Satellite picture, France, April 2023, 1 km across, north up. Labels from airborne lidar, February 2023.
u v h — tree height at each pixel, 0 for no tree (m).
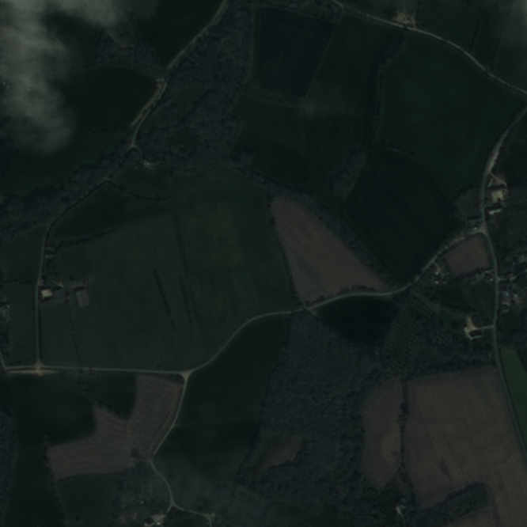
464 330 0
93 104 0
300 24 0
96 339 0
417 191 0
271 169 0
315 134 0
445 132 0
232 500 21
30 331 0
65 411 0
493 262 0
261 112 0
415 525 14
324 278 0
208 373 0
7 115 0
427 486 0
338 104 0
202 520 0
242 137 0
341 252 0
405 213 0
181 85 16
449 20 0
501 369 0
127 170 0
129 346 0
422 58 0
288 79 0
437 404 0
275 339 0
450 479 0
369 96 0
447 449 0
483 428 0
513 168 0
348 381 10
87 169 16
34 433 0
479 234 0
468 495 11
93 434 0
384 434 0
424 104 0
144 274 0
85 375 13
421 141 0
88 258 0
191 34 0
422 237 0
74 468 0
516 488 0
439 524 11
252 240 0
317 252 0
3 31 0
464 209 0
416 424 0
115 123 0
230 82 18
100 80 0
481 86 0
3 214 26
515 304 7
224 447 0
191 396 0
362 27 0
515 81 0
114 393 0
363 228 0
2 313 0
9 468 17
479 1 0
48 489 0
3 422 11
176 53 0
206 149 9
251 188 0
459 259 0
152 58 13
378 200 0
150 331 0
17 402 0
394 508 0
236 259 0
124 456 0
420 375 13
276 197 9
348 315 0
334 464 11
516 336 8
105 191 0
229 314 0
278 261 0
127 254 0
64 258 0
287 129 0
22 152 0
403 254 0
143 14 0
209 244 0
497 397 0
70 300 8
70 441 0
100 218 0
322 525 0
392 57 10
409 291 9
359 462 12
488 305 0
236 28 13
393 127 0
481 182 0
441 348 12
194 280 0
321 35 0
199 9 0
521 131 0
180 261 0
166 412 0
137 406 0
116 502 11
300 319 13
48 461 8
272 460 0
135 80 0
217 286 0
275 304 0
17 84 0
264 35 0
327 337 11
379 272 10
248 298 0
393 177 0
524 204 0
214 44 18
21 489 0
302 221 0
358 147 0
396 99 0
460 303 0
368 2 0
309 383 10
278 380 10
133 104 0
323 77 0
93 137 0
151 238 0
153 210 0
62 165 0
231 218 0
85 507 0
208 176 0
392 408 0
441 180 0
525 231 0
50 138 0
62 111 0
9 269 0
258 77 0
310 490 13
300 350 13
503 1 0
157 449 0
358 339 0
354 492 13
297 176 0
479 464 0
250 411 0
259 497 17
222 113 16
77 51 0
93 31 0
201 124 10
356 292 10
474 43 7
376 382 13
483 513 0
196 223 0
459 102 0
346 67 0
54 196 30
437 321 9
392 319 11
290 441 0
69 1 0
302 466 11
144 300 0
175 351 0
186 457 0
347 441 12
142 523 0
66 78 0
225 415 0
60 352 0
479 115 0
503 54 0
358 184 0
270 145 0
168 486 11
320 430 9
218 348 0
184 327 0
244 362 0
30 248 0
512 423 0
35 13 0
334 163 0
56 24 0
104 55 13
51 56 0
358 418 12
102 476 0
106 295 0
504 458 0
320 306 0
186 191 0
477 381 0
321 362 14
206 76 12
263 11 0
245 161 12
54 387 0
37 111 12
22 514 0
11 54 18
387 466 0
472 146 0
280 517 0
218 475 0
